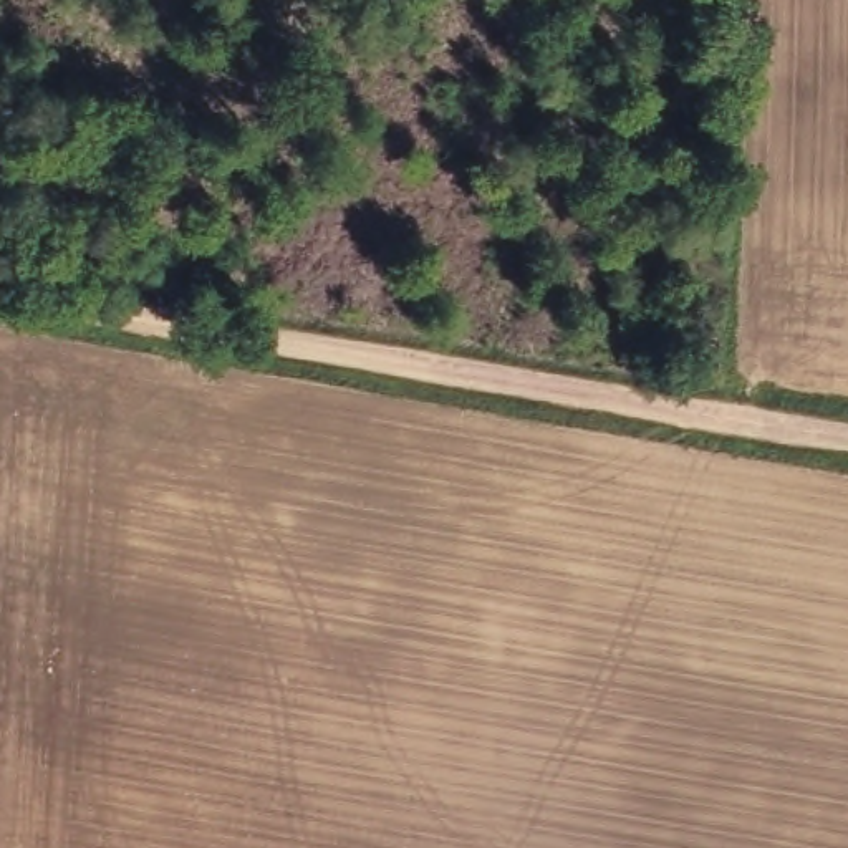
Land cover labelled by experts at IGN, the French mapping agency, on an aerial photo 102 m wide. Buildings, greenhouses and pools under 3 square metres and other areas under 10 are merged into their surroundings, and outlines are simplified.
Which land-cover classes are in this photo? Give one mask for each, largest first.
<instances>
[{"label":"agricultural land","instance_id":"1","mask_svg":"<svg viewBox=\"0 0 848 848\"><path fill-rule=\"evenodd\" d=\"M759 10L775 36L765 66L772 99L742 139L745 162L765 169V186L755 199V209L742 219L745 245L735 288L739 374L749 384H775L785 391L848 398V0H759ZM0 848H848V474L709 454L623 434L533 424L484 411L441 407L354 388H335L305 378L268 374L232 368L222 378H209L189 361H176L166 354H142L60 338H30L13 331L10 325H0Z\"/></svg>","mask_w":848,"mask_h":848},{"label":"deciduous trees","instance_id":"2","mask_svg":"<svg viewBox=\"0 0 848 848\"><path fill-rule=\"evenodd\" d=\"M252 0H195L199 10L222 13L212 23V30L195 40H176L159 33L156 50L189 70L209 73L225 70L239 43H245L255 33L248 17ZM374 7H388L384 27L398 30L411 0H315L318 13L341 20V36L358 33L364 13ZM510 3L533 50L527 60L507 63L500 70V83L490 103L500 116L517 103L520 86H533L540 93L543 109H566L570 103H576L583 93L580 80L566 70V56H576L586 46L593 27L606 30V36L619 33L616 10L629 0H484L490 13ZM722 7L719 40L702 53L699 63L689 66L686 80L706 83L712 76H732V89L712 106V116L702 123L706 133L689 149H676L666 162L656 166H646L639 156L610 159L596 195L580 199L573 212L583 225L593 229L596 245L603 248L600 268L606 272L629 268L649 248L669 255L689 229L722 232L729 222L742 219L755 209V199L765 186V169L745 162L742 139L772 99L765 66L775 36L759 10V0H692ZM351 80L348 73L315 70L311 96L275 103L268 109V123L245 133L239 139V149L225 152L215 142L189 136L176 119L156 116L136 103H60L46 96L33 106L30 116L13 119L7 126V139L0 142V325H10L13 331L30 338H60L142 354H166L176 361H189L209 378H222L232 368L268 374L282 354L278 331H285V315L295 301L292 292L272 288H258L248 301H239L232 308H225L215 292H202L195 305L186 301L169 321L166 338L126 331V321L133 315L146 311L139 305V292L149 285H162L169 262H179L186 255H209L229 275L255 265V255L248 248L265 239L272 235L268 215H255L245 199H235L229 192V176L252 172L262 162H272L282 142L308 129H325L341 113L345 83ZM182 176L205 179V192L215 199L212 215L169 212V199L179 192ZM663 96L653 93L636 106L616 113V133L639 136L659 123ZM583 162L580 152H543L537 146H523L510 152L500 169H494L484 179H474V192L464 195L470 215L484 219L494 235L517 239L537 225L550 209L543 195H537V182L576 176ZM444 275V258H424L407 265L404 278L398 282L401 298H424L437 288Z\"/></svg>","mask_w":848,"mask_h":848},{"label":"bare soil","instance_id":"3","mask_svg":"<svg viewBox=\"0 0 848 848\"><path fill-rule=\"evenodd\" d=\"M301 7V0H252L248 17L255 33L245 43H239L225 70L209 73L212 80L202 86L199 96L142 80L133 66L142 63V53L133 43L119 40L109 20L99 10L83 7V0H0V142L7 139V126L13 119L30 116L33 106L46 96L60 103H136L156 116L176 119L189 136L215 142L225 152L239 149V139L245 133L232 116V103H245L248 109H268L275 103V83L288 73V53L305 43L301 33L285 27L288 7ZM30 33L63 43L56 60L36 76L7 73L3 60L20 56ZM444 43V50H404L391 56L381 70L348 73L351 80L358 96L388 119L381 139L384 159L378 162V179L371 192L361 202L315 212L301 235L285 245H268L265 239L248 248L255 255V265L272 262V288L292 292L295 301L325 305L328 288L345 285V308L368 311L364 328L398 335V328L407 318L398 311L401 298L398 282L404 278L407 265L424 258H444V275L437 288L451 292L454 308L467 311V335L477 345H504L510 358H540L550 348V335L557 328L550 311L543 308L537 315H527L523 321L510 315L513 285L500 275L494 255L484 248V239L494 235L484 219L470 215L464 195L474 192V179H484L494 169H500L510 152L497 146L500 116L490 103L500 83V70L507 63L527 60L533 50L510 3L490 13L484 0H447L427 27ZM424 76H431L437 86L457 83V116H434L431 109L417 113L414 86ZM411 156L434 159V172L424 186L404 182V162Z\"/></svg>","mask_w":848,"mask_h":848},{"label":"coniferous trees","instance_id":"4","mask_svg":"<svg viewBox=\"0 0 848 848\"><path fill-rule=\"evenodd\" d=\"M722 7L692 0H629L616 10L619 33L606 36V30L593 27L586 46L576 56H566V70L580 80L583 93L576 103H570L566 109H543L540 93L533 86H520L517 103L500 116L497 146L510 152L523 146H537L543 152H580L583 162L576 176L537 182V195H543L550 209L557 212V219H570L573 212L580 199L596 195L610 159L639 156L646 166H656L666 162L676 149H689L706 133L702 123L712 116V106L732 89V76H712L706 83L686 80L689 66L699 63L702 53L719 40ZM653 93L663 96L659 123L639 136L616 133V113L636 106ZM417 113L431 109L434 116H457V83L437 86L431 76H424L414 86ZM484 248L494 255L500 275L513 285L510 315L523 321L527 315H537L543 308L550 311L557 328L576 331L586 315L603 311L610 325V354L616 358V364L629 371L626 384L639 394L659 398L669 388V378H682L706 351L709 321L702 318L696 298L689 305L682 301V285L689 282V258L719 255L722 232L689 229L669 255L649 248L629 268L606 272L600 268L603 248L596 245L593 229L583 225L573 239H553L537 225L517 239L494 235L484 239Z\"/></svg>","mask_w":848,"mask_h":848},{"label":"brushwood","instance_id":"5","mask_svg":"<svg viewBox=\"0 0 848 848\"><path fill-rule=\"evenodd\" d=\"M83 7L99 10L109 20L119 40L133 43L142 53V63L133 66L142 80L199 96L202 86L212 80L209 73L189 70L156 50L159 33L176 40H195L212 30V23L222 13L199 10L195 0H83ZM447 0H411L398 30L384 27L388 7H374L364 13L358 33L341 36V20L318 13L315 0H301V7H288L285 27L301 33L305 43L288 53V73L275 83V103L311 96L315 70L348 73L381 70L391 56L404 50H444V43L427 27ZM63 43L30 33L20 56L3 60L7 73L36 76L56 60ZM388 119L358 96L351 80L345 83L341 113L325 129H308L282 142L272 162H262L252 172L229 176V192L235 199H245L255 215H268L272 235L265 239L268 245H285L301 235L315 212L361 202L371 192L378 179V162L384 159L381 139ZM232 116L245 133L268 123V109H248L245 103H232ZM434 172V159L411 156L404 162V182L424 186ZM398 311L407 318L417 328L447 325L454 308L451 292L437 288L424 298H401ZM610 325L603 311L586 315L576 331L557 328L550 335V348L540 358H510L504 345H477L467 335L451 354L527 371L626 384L629 371L616 364V358L610 354Z\"/></svg>","mask_w":848,"mask_h":848},{"label":"herbaceous vegetation","instance_id":"6","mask_svg":"<svg viewBox=\"0 0 848 848\"><path fill-rule=\"evenodd\" d=\"M169 212L212 215L215 199L205 192V179L182 176L179 192L169 199ZM553 239H573L583 225L573 212L570 219H557V212L550 209L537 225ZM745 245L742 219L729 222L722 232L719 255L689 258V282L682 285V301L689 305L696 298L702 318L709 321L706 351L682 378H669V388L659 398H706L848 424V398L785 391L775 384H749L739 374L735 288ZM272 262L255 265L229 275L209 255H186L179 262H169L162 285H149L139 292V305L146 311L169 321L186 301L195 305L202 292H215L225 308H232L239 301H248L258 288H272ZM345 285L328 288L325 305L295 301L285 315V331L451 354L467 335V311L454 308L447 325L417 328L407 318L398 328V335L364 328L368 311L345 308ZM268 374L305 378L335 388H354L441 407L484 411L533 424L623 434L709 454L848 474V451L795 447L735 434L672 427L610 411L447 388L282 354Z\"/></svg>","mask_w":848,"mask_h":848},{"label":"pervious surface","instance_id":"7","mask_svg":"<svg viewBox=\"0 0 848 848\"><path fill-rule=\"evenodd\" d=\"M126 331L166 338L169 321L146 311L133 315L126 321ZM282 354L447 388L610 411L672 427L735 434L795 447L848 451V424L706 398H659L639 394L626 384L527 371L451 354L285 331H278Z\"/></svg>","mask_w":848,"mask_h":848}]
</instances>
